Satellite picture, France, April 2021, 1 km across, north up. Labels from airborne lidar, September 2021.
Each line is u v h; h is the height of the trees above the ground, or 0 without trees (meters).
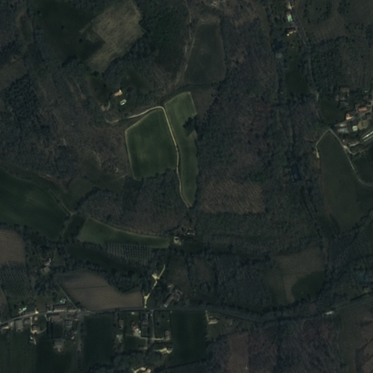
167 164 0
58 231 0
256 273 20
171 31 11
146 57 21
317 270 0
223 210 22
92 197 23
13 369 0
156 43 6
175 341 0
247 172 24
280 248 16
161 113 0
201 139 7
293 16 19
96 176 0
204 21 0
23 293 27
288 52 13
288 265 0
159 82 13
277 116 20
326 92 14
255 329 20
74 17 0
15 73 0
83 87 21
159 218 22
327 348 24
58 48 0
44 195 0
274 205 26
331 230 8
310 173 30
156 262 17
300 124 24
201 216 20
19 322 0
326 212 13
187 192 0
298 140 25
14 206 0
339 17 6
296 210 22
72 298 0
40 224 0
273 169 25
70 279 0
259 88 28
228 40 18
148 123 0
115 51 0
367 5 0
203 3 9
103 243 0
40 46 19
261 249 22
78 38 0
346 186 0
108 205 21
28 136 19
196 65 0
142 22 7
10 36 17
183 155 0
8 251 0
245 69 19
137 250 28
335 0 0
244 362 0
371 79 9
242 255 0
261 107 7
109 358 0
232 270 24
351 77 7
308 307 14
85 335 10
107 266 0
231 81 15
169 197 26
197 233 17
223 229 22
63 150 19
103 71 0
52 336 5
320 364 26
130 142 0
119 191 0
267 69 24
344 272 18
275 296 0
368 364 0
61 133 0
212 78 0
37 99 14
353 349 0
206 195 22
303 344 22
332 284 15
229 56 13
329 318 9
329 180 0
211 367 21
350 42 9
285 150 28
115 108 12
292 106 20
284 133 22
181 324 0
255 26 20
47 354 0
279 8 0
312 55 11
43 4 0
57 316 0
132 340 0
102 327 0
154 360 15
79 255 0
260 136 9
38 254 15
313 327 6
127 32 0
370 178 0
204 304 17
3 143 21
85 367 0
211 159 19
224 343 18
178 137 0
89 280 0
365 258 14
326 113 0
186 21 10
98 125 16
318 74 12
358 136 10
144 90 0
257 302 17
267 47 25
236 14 9
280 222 8
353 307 0
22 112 11
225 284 23
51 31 0
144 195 14
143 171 0
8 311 7
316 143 7
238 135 13
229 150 16
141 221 16
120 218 18
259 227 26
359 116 10
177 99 0
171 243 0
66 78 21
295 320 10
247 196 23
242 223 21
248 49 13
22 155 19
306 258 0
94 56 0
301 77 0
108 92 0
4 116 12
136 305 0
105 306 0
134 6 0
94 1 17
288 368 26
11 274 29
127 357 18
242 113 15
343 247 20
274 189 18
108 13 0
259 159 21
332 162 0
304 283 0
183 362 0
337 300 21
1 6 23
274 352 8
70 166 20
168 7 16
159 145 0
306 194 29
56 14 0
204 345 0
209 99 0
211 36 0
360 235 18
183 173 0
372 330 0
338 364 19
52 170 20
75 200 0
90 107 16
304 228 11
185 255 23
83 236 0
